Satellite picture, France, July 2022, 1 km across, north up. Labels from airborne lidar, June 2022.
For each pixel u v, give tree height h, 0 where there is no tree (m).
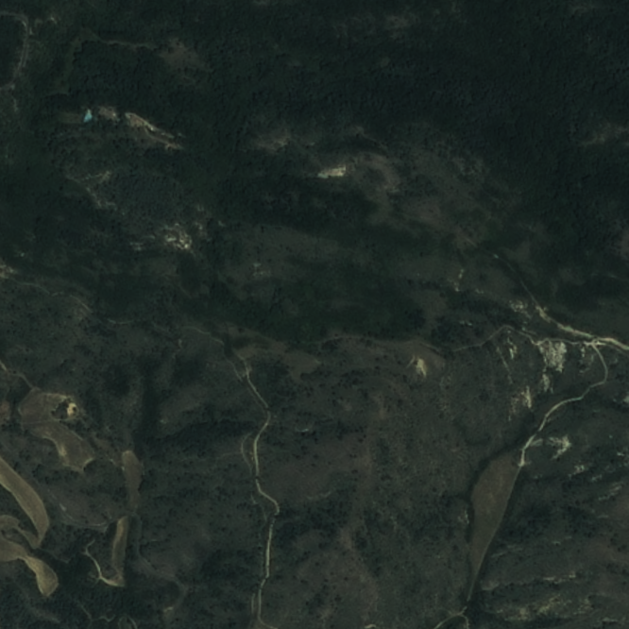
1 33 9
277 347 0
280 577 6
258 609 0
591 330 0
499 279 0
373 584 0
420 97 11
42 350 0
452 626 13
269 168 12
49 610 7
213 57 14
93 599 10
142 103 7
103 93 9
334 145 5
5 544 0
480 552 0
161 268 0
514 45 11
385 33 7
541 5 17
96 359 8
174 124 8
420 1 6
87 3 9
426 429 0
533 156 11
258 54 7
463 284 0
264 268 0
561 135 16
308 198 7
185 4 11
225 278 0
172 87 8
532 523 8
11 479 0
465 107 14
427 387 0
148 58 10
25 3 6
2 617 7
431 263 0
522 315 0
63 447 0
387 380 0
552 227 10
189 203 7
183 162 7
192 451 10
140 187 8
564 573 0
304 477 0
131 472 0
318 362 0
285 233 0
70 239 7
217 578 6
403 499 0
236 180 10
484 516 0
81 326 7
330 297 0
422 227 0
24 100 7
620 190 6
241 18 13
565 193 16
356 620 0
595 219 9
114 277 6
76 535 6
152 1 12
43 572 0
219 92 12
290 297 6
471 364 7
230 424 6
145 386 6
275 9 7
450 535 8
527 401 0
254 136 8
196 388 0
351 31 6
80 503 0
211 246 8
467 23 8
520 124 13
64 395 0
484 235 0
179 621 12
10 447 0
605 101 10
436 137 8
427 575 0
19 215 6
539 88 12
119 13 7
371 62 8
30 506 0
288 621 0
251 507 10
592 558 0
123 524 0
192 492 7
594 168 6
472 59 11
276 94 9
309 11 8
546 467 0
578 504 6
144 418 6
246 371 0
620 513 0
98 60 11
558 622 6
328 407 0
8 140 8
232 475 0
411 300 0
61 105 10
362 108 11
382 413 0
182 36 9
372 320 0
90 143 6
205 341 0
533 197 10
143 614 6
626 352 0
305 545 0
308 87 8
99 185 7
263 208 8
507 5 16
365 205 6
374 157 0
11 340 0
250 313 9
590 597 6
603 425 0
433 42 6
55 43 8
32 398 0
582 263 8
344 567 0
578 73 12
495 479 0
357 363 0
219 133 11
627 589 0
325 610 0
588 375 0
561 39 18
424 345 0
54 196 7
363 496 0
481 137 15
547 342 0
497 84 11
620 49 8
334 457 0
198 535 0
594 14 7
